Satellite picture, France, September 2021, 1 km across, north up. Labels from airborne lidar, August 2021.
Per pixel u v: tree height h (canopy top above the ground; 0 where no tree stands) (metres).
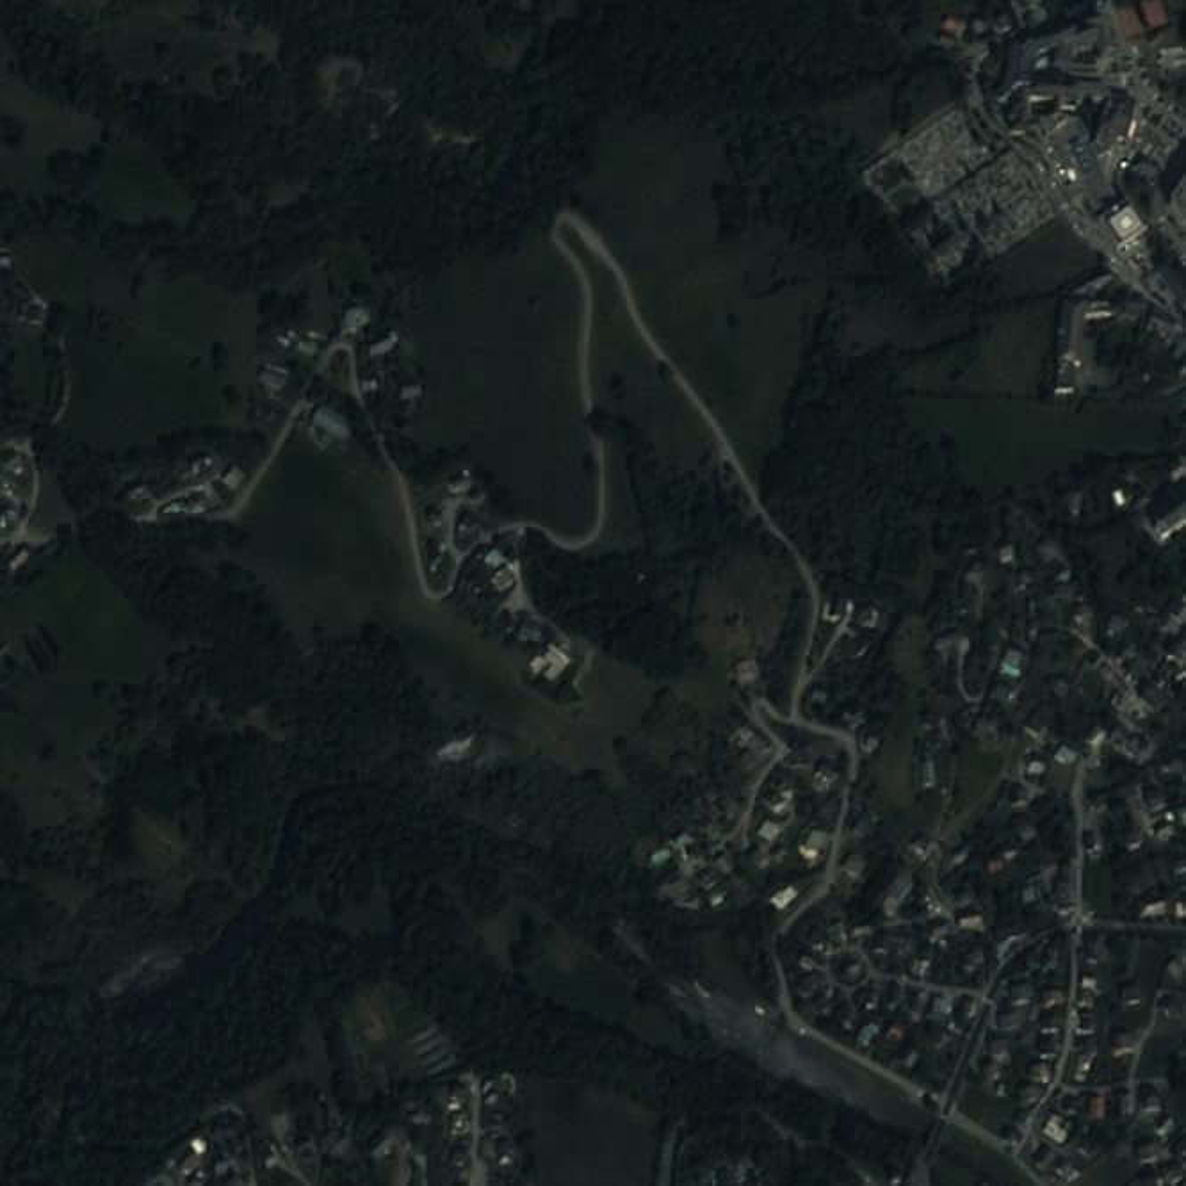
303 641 0
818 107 16
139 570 17
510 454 0
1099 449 0
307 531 0
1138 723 0
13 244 10
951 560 12
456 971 17
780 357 0
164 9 0
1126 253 0
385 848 20
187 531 11
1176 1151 8
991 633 10
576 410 0
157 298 0
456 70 20
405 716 15
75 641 0
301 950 25
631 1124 0
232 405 12
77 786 0
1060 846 7
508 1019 21
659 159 0
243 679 12
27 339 0
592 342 0
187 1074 16
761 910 6
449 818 14
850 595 8
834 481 12
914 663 0
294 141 16
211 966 8
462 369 0
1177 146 0
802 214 12
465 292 0
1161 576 7
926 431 0
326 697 16
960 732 6
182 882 7
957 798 6
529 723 0
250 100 12
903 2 16
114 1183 10
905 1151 12
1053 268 0
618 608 20
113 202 0
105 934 11
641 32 23
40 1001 14
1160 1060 0
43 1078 13
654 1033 0
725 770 7
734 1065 20
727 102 22
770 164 21
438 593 0
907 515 14
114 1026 20
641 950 0
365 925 0
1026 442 0
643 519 10
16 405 21
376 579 0
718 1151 6
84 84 31
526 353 0
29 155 0
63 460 17
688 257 0
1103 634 7
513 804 17
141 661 0
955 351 13
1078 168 0
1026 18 6
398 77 14
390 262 23
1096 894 0
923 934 10
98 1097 19
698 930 11
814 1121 22
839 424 17
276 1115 0
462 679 0
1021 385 0
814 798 7
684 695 0
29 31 17
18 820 20
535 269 0
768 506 12
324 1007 13
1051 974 7
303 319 20
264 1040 19
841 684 8
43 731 0
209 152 27
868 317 0
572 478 0
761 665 9
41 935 10
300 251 27
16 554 0
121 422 0
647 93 27
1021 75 0
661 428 0
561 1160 0
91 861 10
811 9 24
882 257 12
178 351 0
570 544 0
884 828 7
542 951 12
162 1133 19
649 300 0
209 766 19
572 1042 27
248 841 23
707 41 28
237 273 21
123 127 22
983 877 7
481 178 13
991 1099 0
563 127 24
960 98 14
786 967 13
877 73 13
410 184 19
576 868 13
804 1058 0
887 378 12
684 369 0
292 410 0
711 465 9
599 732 0
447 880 21
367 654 21
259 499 0
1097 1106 0
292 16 19
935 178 0
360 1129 12
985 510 18
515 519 7
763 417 0
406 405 7
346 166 19
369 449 15
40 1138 17
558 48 17
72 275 0
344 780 18
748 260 0
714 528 19
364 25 21
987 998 0
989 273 11
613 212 0
